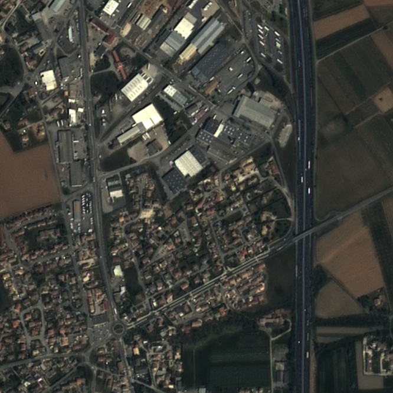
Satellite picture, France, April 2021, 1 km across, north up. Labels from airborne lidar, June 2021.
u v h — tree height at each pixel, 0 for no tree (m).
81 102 0
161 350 9
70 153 0
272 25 0
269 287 0
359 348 0
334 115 0
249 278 0
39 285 10
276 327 15
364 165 0
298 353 0
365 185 0
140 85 0
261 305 0
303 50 0
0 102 0
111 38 0
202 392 0
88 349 0
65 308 8
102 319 0
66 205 0
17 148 0
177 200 11
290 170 0
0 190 0
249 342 0
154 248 9
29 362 0
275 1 0
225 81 0
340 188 0
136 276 0
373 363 0
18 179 0
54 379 0
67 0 0
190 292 0
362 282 0
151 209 0
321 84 0
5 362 15
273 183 0
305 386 0
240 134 0
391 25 0
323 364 0
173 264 9
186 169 0
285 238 0
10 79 0
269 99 0
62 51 0
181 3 0
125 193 0
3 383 7
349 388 0
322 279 13
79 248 0
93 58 0
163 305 0
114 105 0
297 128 0
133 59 0
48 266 0
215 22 0
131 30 0
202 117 0
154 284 6
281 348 0
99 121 0
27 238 0
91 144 0
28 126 0
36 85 0
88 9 0
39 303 0
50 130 0
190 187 10
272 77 8
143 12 0
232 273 0
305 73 0
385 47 0
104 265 0
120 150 0
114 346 0
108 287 0
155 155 0
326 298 0
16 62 0
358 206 0
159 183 0
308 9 0
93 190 0
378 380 0
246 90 0
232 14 0
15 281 0
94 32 0
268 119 0
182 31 0
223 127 0
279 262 0
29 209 0
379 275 0
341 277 0
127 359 9
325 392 0
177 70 0
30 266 0
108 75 0
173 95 0
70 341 0
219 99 0
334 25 0
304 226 0
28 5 0
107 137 0
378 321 11
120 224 0
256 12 0
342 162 0
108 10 0
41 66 0
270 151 14
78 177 0
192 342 16
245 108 0
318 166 0
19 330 0
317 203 0
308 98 0
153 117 0
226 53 0
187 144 0
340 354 0
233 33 0
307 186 0
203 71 0
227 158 0
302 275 0
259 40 0
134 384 9
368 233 0
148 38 0
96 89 0
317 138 0
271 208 6
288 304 9
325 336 0
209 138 0
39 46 0
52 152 0
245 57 0
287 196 0
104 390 0
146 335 9
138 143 0
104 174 0
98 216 0
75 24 0
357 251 0
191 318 0
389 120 0
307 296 0
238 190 6
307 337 0
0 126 7
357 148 0
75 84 0
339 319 9
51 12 0
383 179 0
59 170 0
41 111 0
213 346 0
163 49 0
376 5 0
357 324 16
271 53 0
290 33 0
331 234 0
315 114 0
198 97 0
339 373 0
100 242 0
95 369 0
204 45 0
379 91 0
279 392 0
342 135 0
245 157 0
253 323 13
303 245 0
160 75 0
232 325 18
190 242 6
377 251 5
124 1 0
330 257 0
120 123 0
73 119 0
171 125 8
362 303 11
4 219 0
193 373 0
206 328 8
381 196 0
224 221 9
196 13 0
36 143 0
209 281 0
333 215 0
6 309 7
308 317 0
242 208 0
